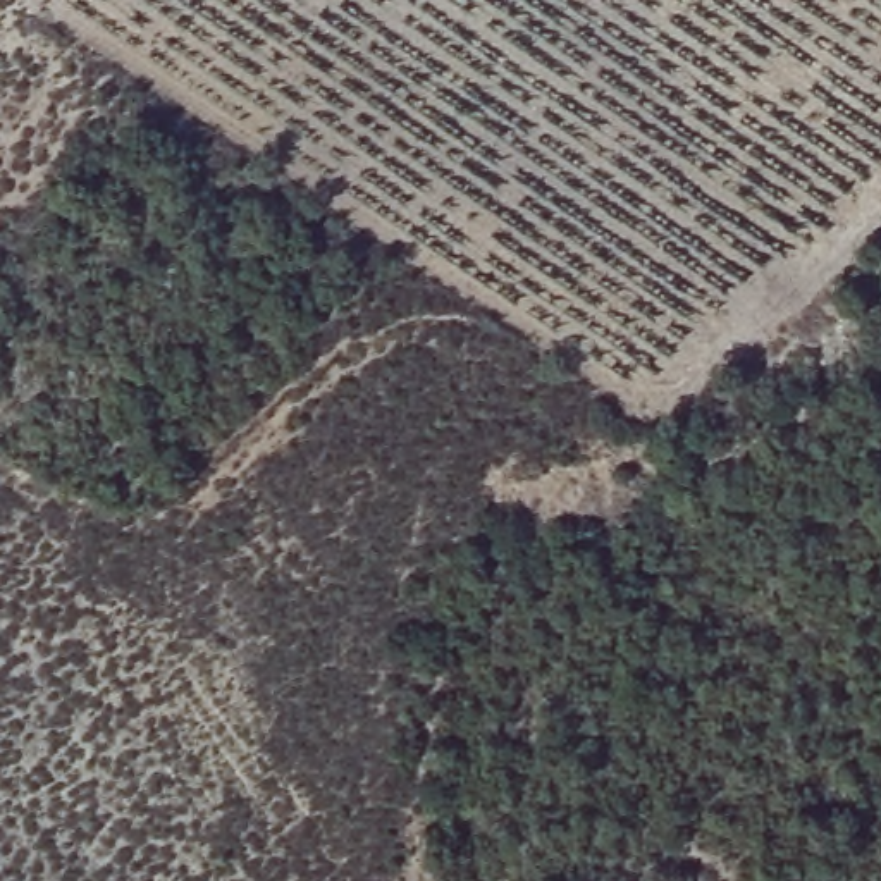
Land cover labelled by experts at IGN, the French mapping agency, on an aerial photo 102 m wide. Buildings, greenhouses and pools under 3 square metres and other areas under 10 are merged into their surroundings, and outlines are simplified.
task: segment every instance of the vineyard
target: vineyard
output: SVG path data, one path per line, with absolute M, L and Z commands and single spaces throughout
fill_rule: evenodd
M 55 169 L 76 124 L 107 117 L 117 103 L 114 93 L 134 89 L 141 96 L 141 107 L 155 107 L 165 96 L 186 107 L 193 117 L 220 127 L 231 141 L 251 151 L 272 145 L 282 131 L 289 131 L 296 134 L 296 151 L 289 162 L 293 179 L 303 179 L 310 186 L 320 179 L 348 179 L 344 193 L 334 196 L 334 210 L 348 210 L 354 227 L 372 231 L 379 241 L 410 244 L 416 251 L 420 268 L 454 286 L 461 296 L 471 296 L 482 306 L 499 310 L 509 323 L 533 334 L 537 348 L 551 348 L 558 365 L 564 368 L 564 382 L 578 382 L 582 375 L 588 375 L 602 392 L 613 392 L 630 416 L 671 413 L 681 396 L 695 396 L 705 389 L 712 368 L 726 361 L 726 351 L 733 351 L 736 344 L 774 341 L 778 323 L 802 317 L 816 293 L 833 289 L 840 272 L 853 265 L 853 255 L 867 241 L 867 234 L 881 227 L 881 0 L 0 0 L 0 210 L 24 206 L 38 193 L 45 176 Z

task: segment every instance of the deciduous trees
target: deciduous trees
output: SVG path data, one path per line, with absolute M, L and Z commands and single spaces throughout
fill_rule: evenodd
M 847 379 L 857 379 L 864 368 L 881 372 L 881 227 L 867 234 L 867 241 L 853 255 L 853 265 L 840 272 L 833 289 L 843 317 L 857 323 L 847 334 L 850 351 L 840 358 Z

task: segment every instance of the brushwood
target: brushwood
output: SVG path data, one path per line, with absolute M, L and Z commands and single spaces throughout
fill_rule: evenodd
M 712 368 L 705 389 L 695 396 L 681 396 L 671 413 L 630 416 L 613 392 L 602 392 L 588 375 L 582 375 L 578 382 L 564 382 L 564 368 L 558 365 L 551 348 L 537 348 L 533 334 L 509 323 L 499 310 L 482 306 L 471 296 L 461 296 L 454 286 L 420 268 L 416 251 L 410 244 L 379 241 L 372 231 L 354 227 L 348 210 L 334 210 L 334 196 L 344 193 L 348 179 L 320 179 L 310 186 L 303 179 L 293 179 L 289 162 L 296 151 L 296 134 L 289 131 L 282 131 L 272 145 L 251 151 L 231 141 L 220 127 L 193 117 L 186 107 L 165 96 L 155 107 L 141 107 L 141 96 L 134 89 L 114 93 L 117 103 L 107 117 L 76 124 L 55 169 L 45 176 L 38 193 L 24 206 L 0 210 L 0 881 L 723 881 L 712 867 L 688 857 L 688 843 L 723 853 L 736 867 L 740 881 L 881 881 L 881 372 L 864 368 L 857 379 L 847 379 L 840 358 L 850 351 L 847 334 L 857 323 L 843 317 L 833 289 L 816 293 L 802 317 L 778 323 L 774 341 L 736 344 L 733 351 L 726 351 L 726 361 Z M 299 379 L 299 385 L 289 389 L 286 399 L 303 399 L 303 392 L 323 382 L 327 372 L 320 372 L 313 361 L 341 337 L 348 337 L 348 351 L 337 354 L 334 365 L 351 365 L 365 351 L 375 351 L 379 361 L 372 361 L 361 375 L 344 375 L 330 396 L 320 396 L 303 410 L 289 413 L 289 427 L 306 427 L 303 441 L 289 441 L 286 447 L 258 458 L 258 468 L 251 475 L 224 478 L 217 489 L 206 489 L 203 482 L 210 468 L 217 468 L 248 437 L 255 437 L 258 410 L 275 396 L 282 382 Z M 554 465 L 609 458 L 609 465 L 616 468 L 616 485 L 602 489 L 599 475 L 588 475 L 585 499 L 575 513 L 540 520 L 523 502 L 496 502 L 496 496 L 485 485 L 489 468 L 499 468 L 509 454 L 520 458 L 520 482 L 540 478 Z

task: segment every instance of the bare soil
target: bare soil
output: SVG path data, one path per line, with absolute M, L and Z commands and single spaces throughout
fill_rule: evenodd
M 375 351 L 365 351 L 351 365 L 334 365 L 337 354 L 348 351 L 348 337 L 341 337 L 313 361 L 320 372 L 327 372 L 323 382 L 303 392 L 303 399 L 286 399 L 289 389 L 299 385 L 299 379 L 282 382 L 275 396 L 258 410 L 255 437 L 248 437 L 217 468 L 210 468 L 203 482 L 206 489 L 217 489 L 224 478 L 251 475 L 258 468 L 258 458 L 286 447 L 289 441 L 303 441 L 306 427 L 289 427 L 289 413 L 303 410 L 320 396 L 330 396 L 344 375 L 361 375 L 372 361 L 379 361 Z
M 740 881 L 736 867 L 723 853 L 688 843 L 688 857 L 712 867 L 723 881 Z
M 489 468 L 485 485 L 496 496 L 496 502 L 523 502 L 540 520 L 575 513 L 585 499 L 588 475 L 599 475 L 602 489 L 616 485 L 616 468 L 609 465 L 609 458 L 554 465 L 540 478 L 520 482 L 520 458 L 509 454 L 499 468 Z

